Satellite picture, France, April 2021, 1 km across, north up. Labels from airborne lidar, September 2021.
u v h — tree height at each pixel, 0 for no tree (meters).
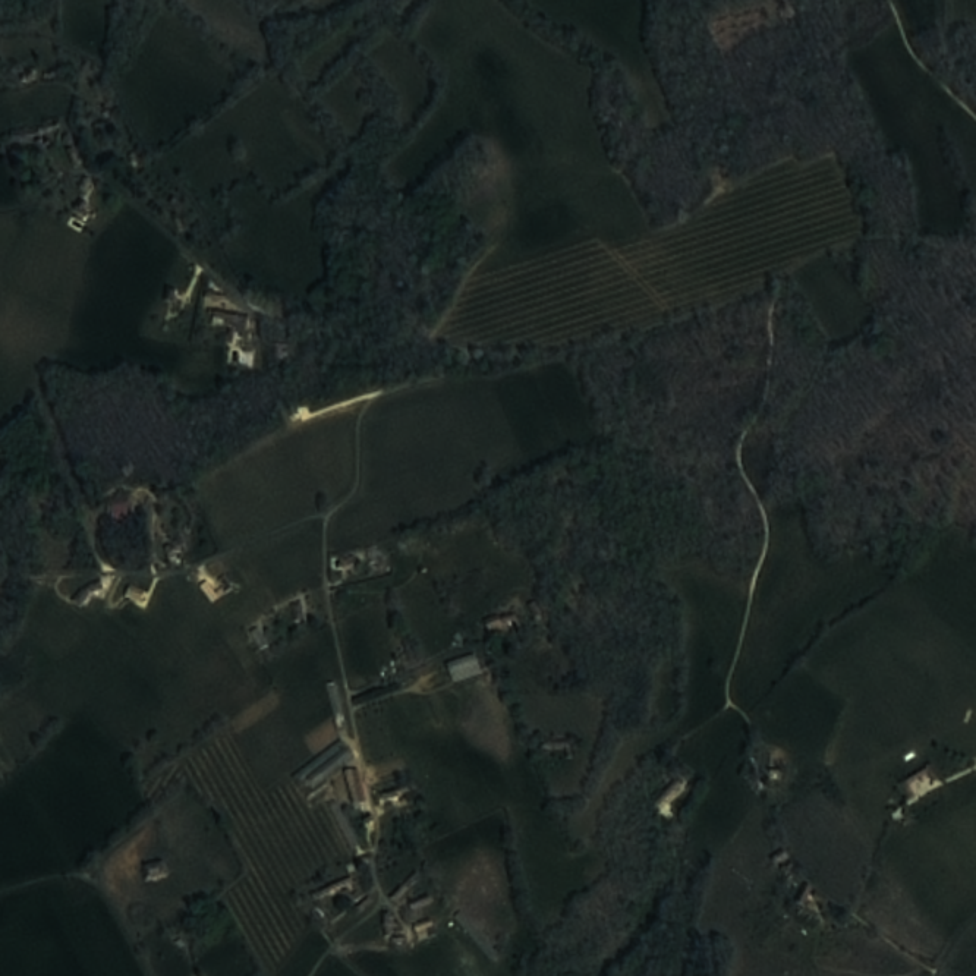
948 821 0
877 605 0
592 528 17
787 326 13
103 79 8
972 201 14
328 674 0
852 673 0
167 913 0
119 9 14
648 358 16
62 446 8
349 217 23
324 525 0
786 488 17
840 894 0
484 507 20
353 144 12
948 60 13
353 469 0
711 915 0
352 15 17
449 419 0
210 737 15
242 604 0
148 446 20
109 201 14
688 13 19
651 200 15
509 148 0
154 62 0
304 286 0
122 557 15
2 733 0
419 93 0
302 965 0
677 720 6
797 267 0
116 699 0
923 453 6
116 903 0
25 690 0
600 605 22
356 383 15
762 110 13
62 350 0
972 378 16
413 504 0
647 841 16
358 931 0
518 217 0
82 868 15
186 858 0
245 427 18
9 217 0
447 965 0
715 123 16
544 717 0
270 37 16
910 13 0
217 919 20
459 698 0
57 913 0
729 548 18
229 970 0
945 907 0
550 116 0
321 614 0
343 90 0
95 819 0
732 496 11
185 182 10
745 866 0
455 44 0
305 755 0
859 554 9
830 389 13
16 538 14
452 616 8
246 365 0
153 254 0
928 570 0
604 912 16
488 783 0
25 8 9
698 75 24
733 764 0
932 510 13
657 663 21
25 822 0
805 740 0
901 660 0
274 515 0
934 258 12
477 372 6
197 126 15
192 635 0
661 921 21
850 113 18
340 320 19
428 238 21
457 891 0
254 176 6
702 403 8
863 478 6
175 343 0
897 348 6
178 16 11
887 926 0
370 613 0
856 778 0
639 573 22
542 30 17
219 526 0
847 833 0
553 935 15
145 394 19
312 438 0
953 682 0
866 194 18
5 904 0
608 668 20
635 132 18
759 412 15
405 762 0
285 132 0
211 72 0
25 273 0
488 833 0
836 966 0
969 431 13
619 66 17
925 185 0
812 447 22
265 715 0
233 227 16
